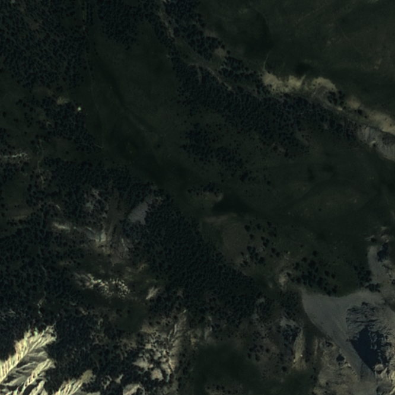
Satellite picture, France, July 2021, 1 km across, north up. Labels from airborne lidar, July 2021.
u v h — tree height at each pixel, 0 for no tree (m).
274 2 0
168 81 0
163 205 7
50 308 0
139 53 0
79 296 8
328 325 0
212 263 7
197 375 0
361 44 0
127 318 0
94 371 10
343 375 0
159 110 0
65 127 22
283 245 0
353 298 0
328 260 0
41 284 17
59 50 12
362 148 0
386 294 0
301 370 0
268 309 11
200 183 0
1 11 11
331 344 0
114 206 0
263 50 0
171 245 7
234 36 0
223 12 0
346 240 0
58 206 0
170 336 0
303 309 0
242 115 8
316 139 0
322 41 0
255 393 0
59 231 0
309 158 0
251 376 0
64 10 12
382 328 0
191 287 10
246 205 0
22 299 11
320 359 0
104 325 10
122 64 0
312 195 0
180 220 15
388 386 0
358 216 0
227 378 0
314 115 8
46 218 14
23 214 0
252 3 0
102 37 0
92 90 0
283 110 6
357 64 0
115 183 8
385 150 0
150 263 6
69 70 26
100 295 0
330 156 0
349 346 0
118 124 0
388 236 0
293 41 0
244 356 0
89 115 0
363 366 0
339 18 0
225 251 0
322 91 0
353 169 0
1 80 0
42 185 0
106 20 14
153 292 0
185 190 0
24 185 0
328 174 0
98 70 0
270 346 0
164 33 17
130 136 0
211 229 0
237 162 9
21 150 0
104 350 7
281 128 8
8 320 12
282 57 0
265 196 0
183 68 12
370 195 0
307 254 0
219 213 0
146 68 0
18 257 14
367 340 0
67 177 12
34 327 8
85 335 7
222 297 10
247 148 0
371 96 0
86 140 14
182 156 0
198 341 0
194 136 12
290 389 0
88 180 14
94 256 0
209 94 12
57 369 12
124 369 7
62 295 15
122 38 16
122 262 0
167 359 0
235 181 0
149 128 0
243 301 12
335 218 0
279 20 0
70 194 22
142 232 8
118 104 0
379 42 0
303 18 0
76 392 0
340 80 0
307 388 0
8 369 0
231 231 0
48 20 21
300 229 0
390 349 0
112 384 14
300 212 0
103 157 0
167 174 0
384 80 0
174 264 11
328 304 0
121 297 0
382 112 0
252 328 0
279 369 0
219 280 11
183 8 16
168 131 0
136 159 0
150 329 0
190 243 15
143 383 7
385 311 0
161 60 0
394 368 0
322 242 0
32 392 0
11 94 0
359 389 0
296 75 0
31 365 0
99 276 0
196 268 14
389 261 0
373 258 0
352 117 0
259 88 22
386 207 0
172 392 0
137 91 0
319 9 0
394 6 0
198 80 16
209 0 0
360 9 0
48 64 11
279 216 0
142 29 0
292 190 0
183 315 0
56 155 0
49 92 0
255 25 0
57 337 9
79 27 11
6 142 12
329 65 0
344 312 0
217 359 0
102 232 0
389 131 0
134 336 0
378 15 0
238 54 0
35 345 0
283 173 0
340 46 0
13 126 0
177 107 0
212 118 0
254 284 7
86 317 6
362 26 0
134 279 0
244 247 0
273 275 0
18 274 15
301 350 0
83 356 14
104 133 0
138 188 11
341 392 0
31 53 17
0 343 14
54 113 16
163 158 0
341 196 0
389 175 0
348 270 0
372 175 0
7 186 0
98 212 9
